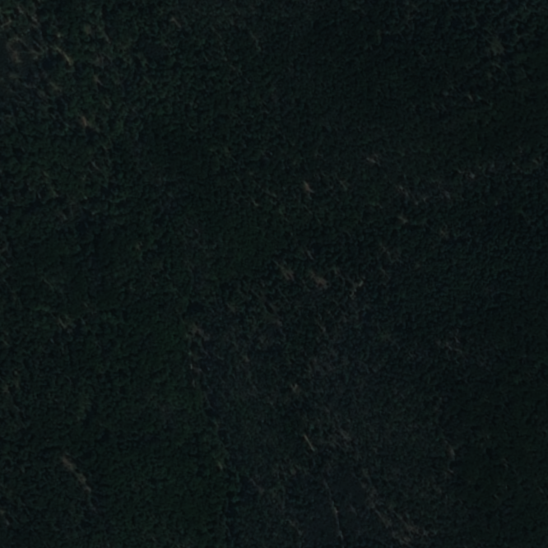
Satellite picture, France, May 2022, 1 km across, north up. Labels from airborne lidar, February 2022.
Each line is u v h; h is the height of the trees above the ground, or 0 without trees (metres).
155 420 27
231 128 26
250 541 25
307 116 26
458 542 29
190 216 27
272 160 30
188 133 27
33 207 34
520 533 28
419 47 26
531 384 27
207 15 28
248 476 31
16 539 27
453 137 23
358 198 31
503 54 0
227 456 34
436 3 27
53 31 35
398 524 23
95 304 36
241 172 30
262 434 27
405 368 25
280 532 29
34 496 32
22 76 32
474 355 24
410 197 31
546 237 25
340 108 24
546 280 25
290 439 26
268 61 24
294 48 26
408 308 24
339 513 27
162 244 28
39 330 31
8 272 26
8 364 30
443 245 23
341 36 26
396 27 26
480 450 27
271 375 24
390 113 24
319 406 27
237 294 27
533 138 28
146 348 26
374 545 23
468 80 23
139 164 29
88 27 32
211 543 23
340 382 26
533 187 23
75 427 27
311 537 11
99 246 33
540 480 28
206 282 33
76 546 14
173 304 26
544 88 30
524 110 29
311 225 19
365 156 28
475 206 22
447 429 28
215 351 31
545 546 31
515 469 26
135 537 21
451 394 26
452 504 31
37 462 35
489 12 28
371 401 24
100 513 27
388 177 28
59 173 33
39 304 33
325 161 25
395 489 23
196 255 25
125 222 23
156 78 33
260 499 30
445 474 26
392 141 27
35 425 27
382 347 19
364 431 22
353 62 26
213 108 28
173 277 27
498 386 24
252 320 25
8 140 39
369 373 24
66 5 30
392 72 23
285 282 27
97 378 30
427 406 25
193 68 28
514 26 6
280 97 6
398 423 25
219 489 27
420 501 24
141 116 32
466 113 27
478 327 24
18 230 31
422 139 21
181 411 28
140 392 33
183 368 19
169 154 32
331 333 30
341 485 11
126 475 24
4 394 30
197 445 34
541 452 24
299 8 28
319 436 27
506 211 23
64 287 34
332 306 28
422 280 24
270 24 27
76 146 31
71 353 29
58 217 30
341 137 27
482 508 29
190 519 30
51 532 22
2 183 36
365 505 8
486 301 26
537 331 29
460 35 30
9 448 30
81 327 31
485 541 28
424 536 28
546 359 27
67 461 39
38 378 29
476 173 23
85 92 31
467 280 22
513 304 24
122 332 29
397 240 23
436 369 24
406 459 21
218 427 29
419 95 22
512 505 28
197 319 37
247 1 25
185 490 31
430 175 30
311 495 27
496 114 28
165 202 31
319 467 24
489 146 26
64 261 30
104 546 28
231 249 26
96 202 32
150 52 19
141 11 27
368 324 29
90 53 34
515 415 27
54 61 36
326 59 24
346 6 30
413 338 25
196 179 29
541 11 29
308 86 20
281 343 29
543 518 32
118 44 32
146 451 28
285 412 28
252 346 29
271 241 25
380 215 28
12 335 27
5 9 35
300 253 24
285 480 29
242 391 27
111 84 29
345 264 19
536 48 32
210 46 28
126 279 8
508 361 28
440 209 22
